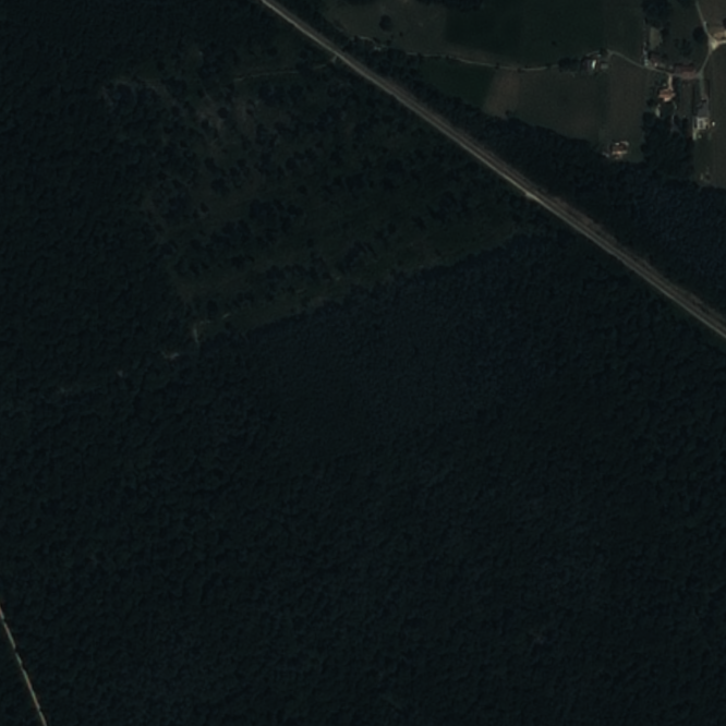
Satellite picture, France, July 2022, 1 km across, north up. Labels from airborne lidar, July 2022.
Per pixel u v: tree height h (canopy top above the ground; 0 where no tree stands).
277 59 24
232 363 21
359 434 19
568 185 28
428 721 23
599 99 0
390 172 18
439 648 24
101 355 22
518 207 20
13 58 26
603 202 31
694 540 24
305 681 24
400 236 29
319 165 22
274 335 21
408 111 20
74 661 22
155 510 18
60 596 19
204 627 24
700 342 24
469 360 19
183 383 13
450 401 20
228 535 23
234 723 26
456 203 28
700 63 0
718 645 21
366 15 0
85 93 26
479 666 19
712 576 30
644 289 6
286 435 20
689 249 24
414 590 15
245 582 16
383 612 18
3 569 14
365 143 23
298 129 14
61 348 19
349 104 27
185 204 24
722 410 25
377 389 22
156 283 24
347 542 28
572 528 26
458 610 20
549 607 24
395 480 21
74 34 24
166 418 26
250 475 22
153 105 25
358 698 16
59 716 17
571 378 22
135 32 22
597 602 26
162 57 16
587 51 0
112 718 21
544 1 0
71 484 26
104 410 26
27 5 25
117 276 24
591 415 25
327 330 18
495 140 14
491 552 14
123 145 16
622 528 22
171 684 23
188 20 20
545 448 24
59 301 25
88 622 22
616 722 23
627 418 24
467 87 0
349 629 21
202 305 18
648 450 22
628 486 21
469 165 8
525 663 21
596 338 24
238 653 24
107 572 25
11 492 19
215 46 24
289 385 19
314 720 24
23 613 26
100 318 16
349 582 20
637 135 0
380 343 21
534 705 20
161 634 22
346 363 22
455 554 20
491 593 20
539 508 23
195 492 22
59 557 22
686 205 22
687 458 26
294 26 7
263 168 20
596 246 12
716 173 0
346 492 25
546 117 0
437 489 18
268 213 28
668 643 24
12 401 21
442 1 12
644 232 29
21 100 24
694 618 24
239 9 25
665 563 25
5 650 27
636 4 0
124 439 25
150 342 24
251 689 24
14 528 24
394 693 22
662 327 22
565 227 8
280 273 27
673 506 27
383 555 24
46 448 25
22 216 21
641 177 19
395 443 21
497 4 0
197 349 21
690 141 15
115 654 26
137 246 25
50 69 28
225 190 25
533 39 0
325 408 21
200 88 0
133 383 23
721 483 29
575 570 28
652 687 21
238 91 22
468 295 23
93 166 23
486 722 22
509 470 22
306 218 29
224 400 24
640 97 0
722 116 0
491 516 21
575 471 21
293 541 25
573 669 24
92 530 21
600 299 22
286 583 14
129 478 28
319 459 18
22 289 23
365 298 21
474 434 22
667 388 24
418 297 23
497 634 21
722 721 24
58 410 26
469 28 0
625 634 26
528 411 25
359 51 16
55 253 25
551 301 22
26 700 20
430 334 22
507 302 25
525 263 23
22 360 26
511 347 24
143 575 28
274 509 22
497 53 0
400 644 15
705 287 26
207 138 17
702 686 25
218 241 22
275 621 25
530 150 28
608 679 19
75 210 26
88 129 23
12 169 27
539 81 0
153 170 23
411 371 22
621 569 24
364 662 20
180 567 20
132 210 24
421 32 0
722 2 0
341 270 22
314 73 22
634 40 0
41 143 25
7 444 23
